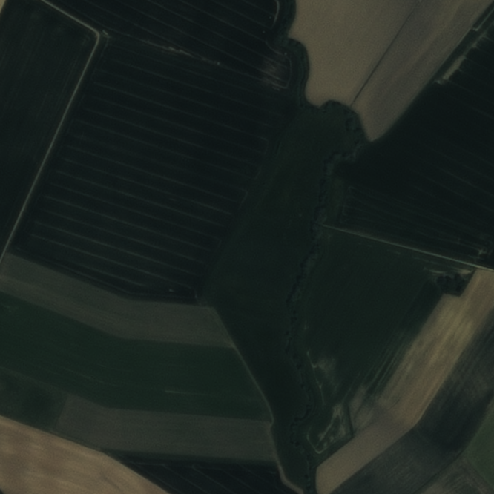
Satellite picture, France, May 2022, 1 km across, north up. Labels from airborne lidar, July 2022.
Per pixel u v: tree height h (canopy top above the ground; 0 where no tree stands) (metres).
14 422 0
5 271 0
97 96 0
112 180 0
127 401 0
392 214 0
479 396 0
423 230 0
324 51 0
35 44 0
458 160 0
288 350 11
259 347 0
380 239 0
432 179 0
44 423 0
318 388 0
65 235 0
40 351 0
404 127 0
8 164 0
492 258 0
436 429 0
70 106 0
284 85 0
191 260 0
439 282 10
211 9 0
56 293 0
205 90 0
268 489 0
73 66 0
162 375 0
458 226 0
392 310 0
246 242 0
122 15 0
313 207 0
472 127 0
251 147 0
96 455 0
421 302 0
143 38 0
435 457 0
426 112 0
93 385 0
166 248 0
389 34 0
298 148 0
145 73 0
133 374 0
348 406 0
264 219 0
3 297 0
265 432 0
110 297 0
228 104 0
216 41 0
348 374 0
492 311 0
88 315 0
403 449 0
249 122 0
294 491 0
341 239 0
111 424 0
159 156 0
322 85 0
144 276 0
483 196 0
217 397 0
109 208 0
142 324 0
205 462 0
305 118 0
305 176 0
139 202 0
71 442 0
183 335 0
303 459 0
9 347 0
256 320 0
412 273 0
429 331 0
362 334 0
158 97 0
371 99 0
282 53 0
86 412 0
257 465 0
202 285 0
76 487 0
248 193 0
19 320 0
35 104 0
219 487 0
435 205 0
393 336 0
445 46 0
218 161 0
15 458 0
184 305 0
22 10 0
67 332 0
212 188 0
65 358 0
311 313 0
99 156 0
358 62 0
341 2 0
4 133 0
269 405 0
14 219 0
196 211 0
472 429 0
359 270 0
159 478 0
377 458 0
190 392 0
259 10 0
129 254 0
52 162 0
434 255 0
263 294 0
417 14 0
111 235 0
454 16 0
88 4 0
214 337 0
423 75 0
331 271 0
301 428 0
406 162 0
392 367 0
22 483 0
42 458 0
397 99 0
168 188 0
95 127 0
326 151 0
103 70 0
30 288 0
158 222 0
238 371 0
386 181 0
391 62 0
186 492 0
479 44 0
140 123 0
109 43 0
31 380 0
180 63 0
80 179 0
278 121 0
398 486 0
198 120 0
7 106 0
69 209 0
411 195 0
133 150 0
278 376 0
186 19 0
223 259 0
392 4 0
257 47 0
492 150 0
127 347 0
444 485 0
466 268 0
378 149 0
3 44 0
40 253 0
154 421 0
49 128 0
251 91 0
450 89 0
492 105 0
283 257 0
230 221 0
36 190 0
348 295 0
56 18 0
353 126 16
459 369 0
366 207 0
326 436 0
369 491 0
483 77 0
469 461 0
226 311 0
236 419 0
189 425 0
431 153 0
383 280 0
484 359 0
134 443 0
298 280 11
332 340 0
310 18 0
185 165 0
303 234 0
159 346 0
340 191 0
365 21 0
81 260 0
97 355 0
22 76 0
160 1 0
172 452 0
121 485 0
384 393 0
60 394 0
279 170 0
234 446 0
